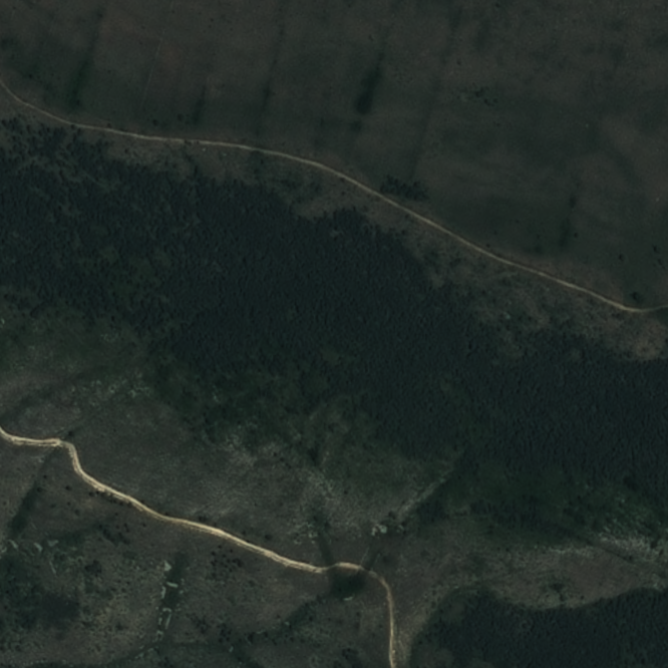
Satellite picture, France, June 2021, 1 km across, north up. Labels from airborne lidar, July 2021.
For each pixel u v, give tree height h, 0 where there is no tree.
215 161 0
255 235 10
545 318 0
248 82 0
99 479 0
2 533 0
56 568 0
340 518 0
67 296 10
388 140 0
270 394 8
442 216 0
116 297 8
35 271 8
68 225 9
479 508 7
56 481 0
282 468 0
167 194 7
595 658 9
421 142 0
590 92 0
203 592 0
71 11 0
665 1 0
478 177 0
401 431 9
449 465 0
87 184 10
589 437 11
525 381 10
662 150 0
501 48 0
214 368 6
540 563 0
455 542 0
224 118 0
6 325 0
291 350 8
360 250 10
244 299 12
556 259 0
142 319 9
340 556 0
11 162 9
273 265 12
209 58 0
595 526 6
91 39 0
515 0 0
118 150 0
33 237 10
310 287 12
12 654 0
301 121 0
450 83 0
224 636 9
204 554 0
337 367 8
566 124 0
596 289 0
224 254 13
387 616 0
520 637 7
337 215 11
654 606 10
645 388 9
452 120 0
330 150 0
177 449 0
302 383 7
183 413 0
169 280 6
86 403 0
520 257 0
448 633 8
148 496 0
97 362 0
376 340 9
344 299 8
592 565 0
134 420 0
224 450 0
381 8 0
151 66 0
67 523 0
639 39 0
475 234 0
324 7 0
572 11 0
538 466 10
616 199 0
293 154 0
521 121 0
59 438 0
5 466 0
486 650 7
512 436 10
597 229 0
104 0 0
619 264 0
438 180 0
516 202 0
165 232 11
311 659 0
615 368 7
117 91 0
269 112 0
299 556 0
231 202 12
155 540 0
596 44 0
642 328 0
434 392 11
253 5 0
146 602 0
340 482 0
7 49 0
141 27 0
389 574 0
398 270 8
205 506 0
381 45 0
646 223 0
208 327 13
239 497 0
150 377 0
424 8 0
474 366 12
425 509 5
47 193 8
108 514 0
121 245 9
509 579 0
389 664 0
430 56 0
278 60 0
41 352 0
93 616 0
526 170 0
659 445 13
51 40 0
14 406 0
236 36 0
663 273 0
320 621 0
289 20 0
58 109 0
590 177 0
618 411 12
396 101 0
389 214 0
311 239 10
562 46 0
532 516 7
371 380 7
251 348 10
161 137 0
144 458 0
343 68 0
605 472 13
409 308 11
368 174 0
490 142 0
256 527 0
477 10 0
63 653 0
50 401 0
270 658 0
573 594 0
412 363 8
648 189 0
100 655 0
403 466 0
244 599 0
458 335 10
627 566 0
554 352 8
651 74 0
